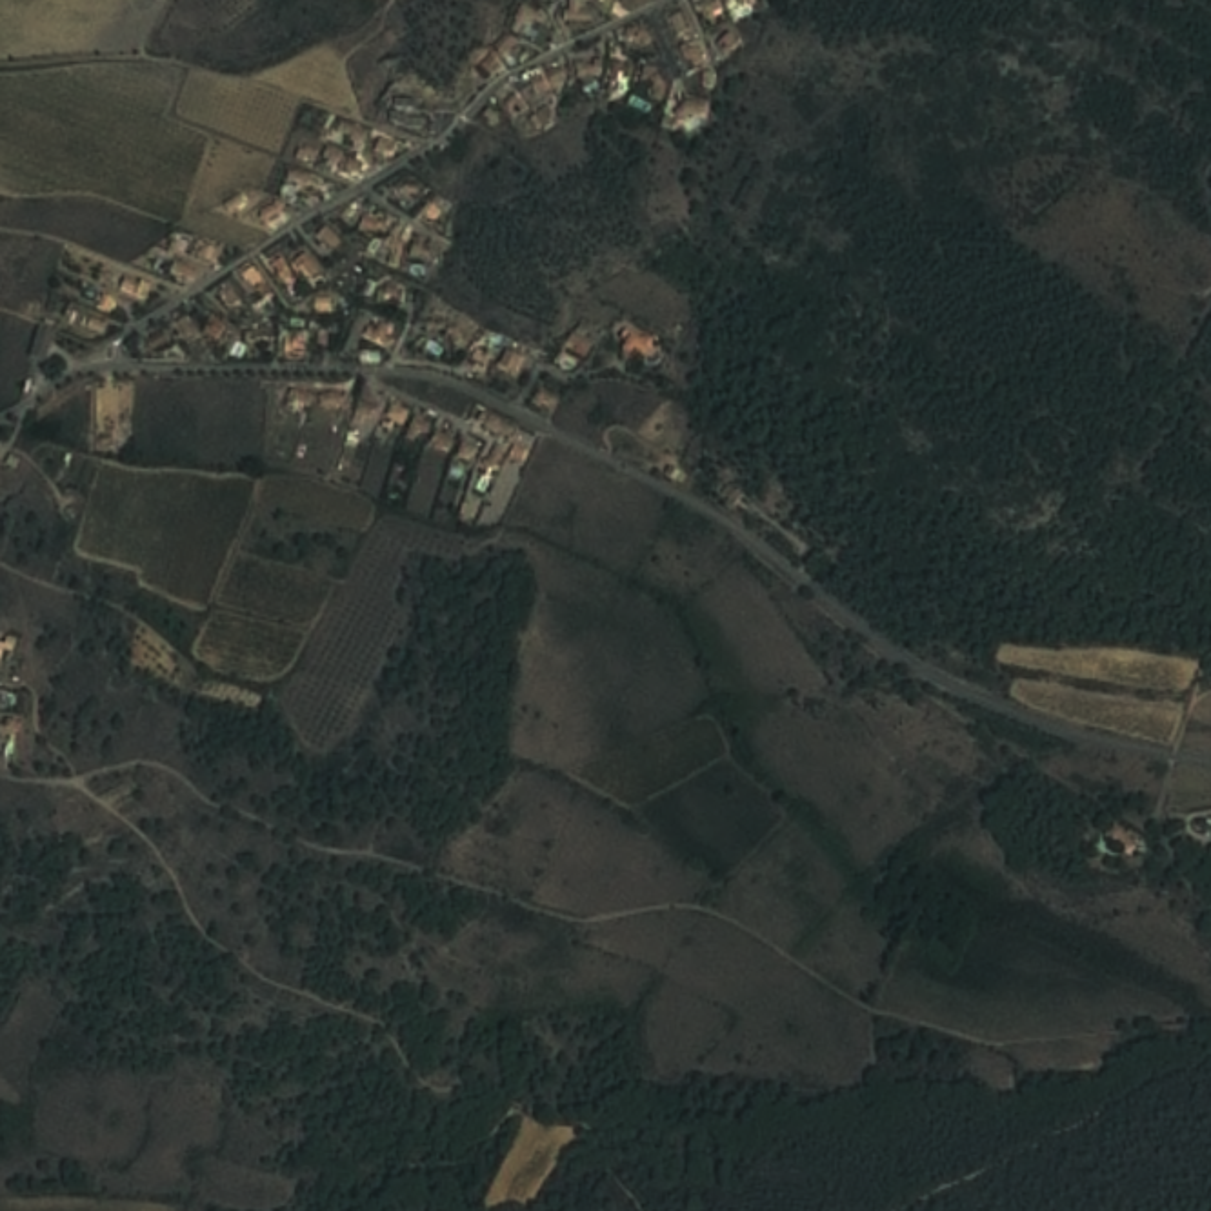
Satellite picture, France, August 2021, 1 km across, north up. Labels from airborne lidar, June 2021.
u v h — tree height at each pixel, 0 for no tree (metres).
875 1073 12
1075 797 10
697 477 0
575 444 0
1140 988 0
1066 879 6
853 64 0
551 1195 7
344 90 0
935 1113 7
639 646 0
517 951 0
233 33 0
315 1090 10
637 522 0
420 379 0
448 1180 13
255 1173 0
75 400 0
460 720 7
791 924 0
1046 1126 7
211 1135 0
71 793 0
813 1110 10
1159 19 8
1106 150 0
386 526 0
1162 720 0
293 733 9
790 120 0
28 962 7
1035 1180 8
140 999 9
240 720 7
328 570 0
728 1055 0
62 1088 0
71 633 0
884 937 11
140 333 7
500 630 8
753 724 0
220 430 0
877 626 10
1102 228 0
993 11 5
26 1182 7
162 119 0
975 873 0
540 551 0
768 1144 7
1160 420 6
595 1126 8
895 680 5
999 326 8
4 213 0
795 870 0
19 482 0
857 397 7
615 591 0
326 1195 9
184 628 8
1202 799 0
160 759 0
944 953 7
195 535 0
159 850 0
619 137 8
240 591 0
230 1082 6
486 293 7
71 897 0
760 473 14
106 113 0
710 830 0
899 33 7
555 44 0
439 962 0
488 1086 10
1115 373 6
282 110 0
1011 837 8
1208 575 9
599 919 0
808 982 0
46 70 0
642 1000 7
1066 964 0
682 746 0
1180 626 8
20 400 0
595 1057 9
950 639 12
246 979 7
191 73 0
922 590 13
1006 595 14
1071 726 0
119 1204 0
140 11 0
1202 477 8
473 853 0
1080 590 10
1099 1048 0
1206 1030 10
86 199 0
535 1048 8
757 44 0
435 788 8
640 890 0
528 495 0
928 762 0
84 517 0
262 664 0
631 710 0
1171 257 0
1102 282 0
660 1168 10
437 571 8
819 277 0
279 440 0
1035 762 6
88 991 9
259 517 0
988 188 0
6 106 0
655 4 0
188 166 0
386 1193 11
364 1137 8
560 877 0
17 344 0
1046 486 6
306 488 0
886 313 0
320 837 8
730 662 0
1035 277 8
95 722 7
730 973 0
